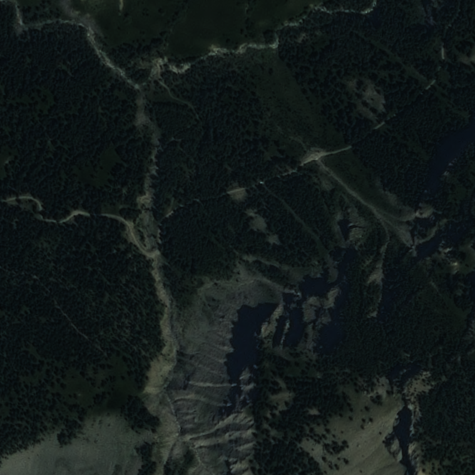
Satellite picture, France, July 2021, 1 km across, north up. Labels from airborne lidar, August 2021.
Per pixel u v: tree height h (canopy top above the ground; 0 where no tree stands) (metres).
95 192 13
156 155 0
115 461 0
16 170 21
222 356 0
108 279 11
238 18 0
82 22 0
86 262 18
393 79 17
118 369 0
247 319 0
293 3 0
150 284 10
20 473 0
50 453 0
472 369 17
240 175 23
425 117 17
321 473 7
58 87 24
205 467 0
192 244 28
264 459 13
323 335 0
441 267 11
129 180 26
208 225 7
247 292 0
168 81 13
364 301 18
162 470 0
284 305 0
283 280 17
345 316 9
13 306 18
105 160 0
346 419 0
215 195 24
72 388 0
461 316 0
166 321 0
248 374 0
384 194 0
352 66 18
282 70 0
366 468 0
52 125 24
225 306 0
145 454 13
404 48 30
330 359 9
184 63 10
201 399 0
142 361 21
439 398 15
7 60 27
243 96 18
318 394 11
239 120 14
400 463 0
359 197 0
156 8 0
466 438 10
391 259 10
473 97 23
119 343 23
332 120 18
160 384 0
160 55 10
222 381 0
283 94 0
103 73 11
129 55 10
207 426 0
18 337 11
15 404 9
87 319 9
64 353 12
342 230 0
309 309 0
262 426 10
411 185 16
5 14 19
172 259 24
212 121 24
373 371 17
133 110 17
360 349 17
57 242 11
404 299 9
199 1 0
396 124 15
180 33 0
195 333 0
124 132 21
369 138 24
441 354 20
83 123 20
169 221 23
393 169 23
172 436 0
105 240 17
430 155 9
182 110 18
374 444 0
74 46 17
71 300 18
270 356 10
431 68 26
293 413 15
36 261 8
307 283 0
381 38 25
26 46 23
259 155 26
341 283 0
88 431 0
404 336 16
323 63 23
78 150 17
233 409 0
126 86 8
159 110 13
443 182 8
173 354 0
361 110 0
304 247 18
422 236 14
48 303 18
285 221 18
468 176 17
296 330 0
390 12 21
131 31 0
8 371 15
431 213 0
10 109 25
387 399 0
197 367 0
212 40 0
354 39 27
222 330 0
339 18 14
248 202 7
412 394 6
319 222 24
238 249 21
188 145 18
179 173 22
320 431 0
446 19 21
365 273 15
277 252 23
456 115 9
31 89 16
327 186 0
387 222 0
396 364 18
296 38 17
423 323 13
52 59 27
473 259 0
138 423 12
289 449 13
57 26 7
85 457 0
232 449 0
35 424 11
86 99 18
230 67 13
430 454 11
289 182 15
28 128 21
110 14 0
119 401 0
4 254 15
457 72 18
